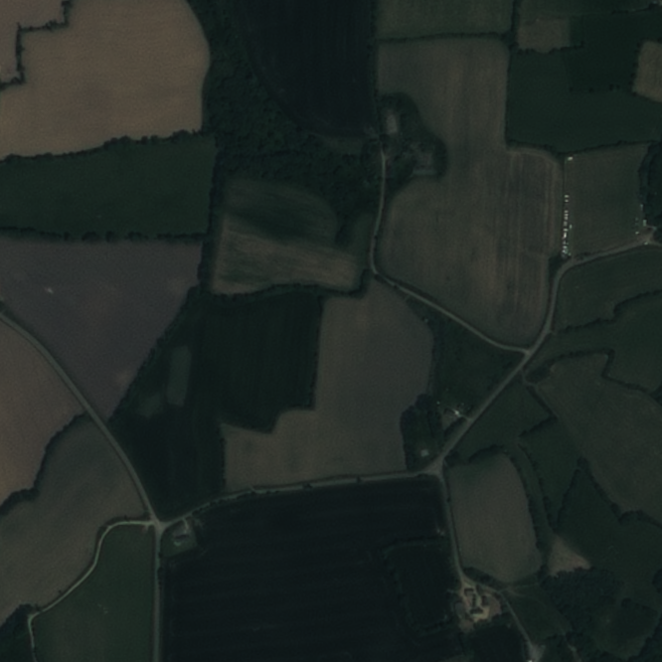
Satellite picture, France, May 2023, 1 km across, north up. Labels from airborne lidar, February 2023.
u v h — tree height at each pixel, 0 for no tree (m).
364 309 0
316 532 0
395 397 0
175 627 0
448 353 0
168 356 0
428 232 0
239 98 10
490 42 0
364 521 0
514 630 0
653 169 10
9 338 0
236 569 0
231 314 0
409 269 0
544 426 10
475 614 0
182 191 0
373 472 0
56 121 0
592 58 0
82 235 0
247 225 0
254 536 0
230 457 0
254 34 0
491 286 0
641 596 0
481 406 0
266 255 0
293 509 0
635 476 0
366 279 11
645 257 0
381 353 0
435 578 0
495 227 0
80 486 0
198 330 0
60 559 0
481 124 0
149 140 11
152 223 0
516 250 0
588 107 0
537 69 0
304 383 0
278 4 0
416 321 0
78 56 0
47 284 0
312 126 0
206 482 0
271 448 0
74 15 0
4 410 0
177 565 0
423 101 0
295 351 0
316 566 0
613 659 15
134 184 0
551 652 0
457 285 0
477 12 0
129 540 0
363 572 0
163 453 0
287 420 0
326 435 0
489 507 0
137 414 0
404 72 0
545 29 0
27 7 0
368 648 0
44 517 0
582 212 0
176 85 0
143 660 0
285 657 0
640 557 0
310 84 0
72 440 0
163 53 0
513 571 0
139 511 0
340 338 0
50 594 0
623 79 0
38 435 0
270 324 0
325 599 0
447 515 0
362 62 0
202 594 0
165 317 0
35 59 0
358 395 0
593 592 14
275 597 0
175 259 0
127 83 0
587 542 0
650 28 0
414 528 0
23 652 0
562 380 0
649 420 0
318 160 7
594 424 0
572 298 0
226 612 0
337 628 0
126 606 0
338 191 13
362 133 0
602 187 0
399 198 0
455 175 0
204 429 0
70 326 0
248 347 0
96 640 0
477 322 0
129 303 0
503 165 0
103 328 0
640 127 0
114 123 0
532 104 0
